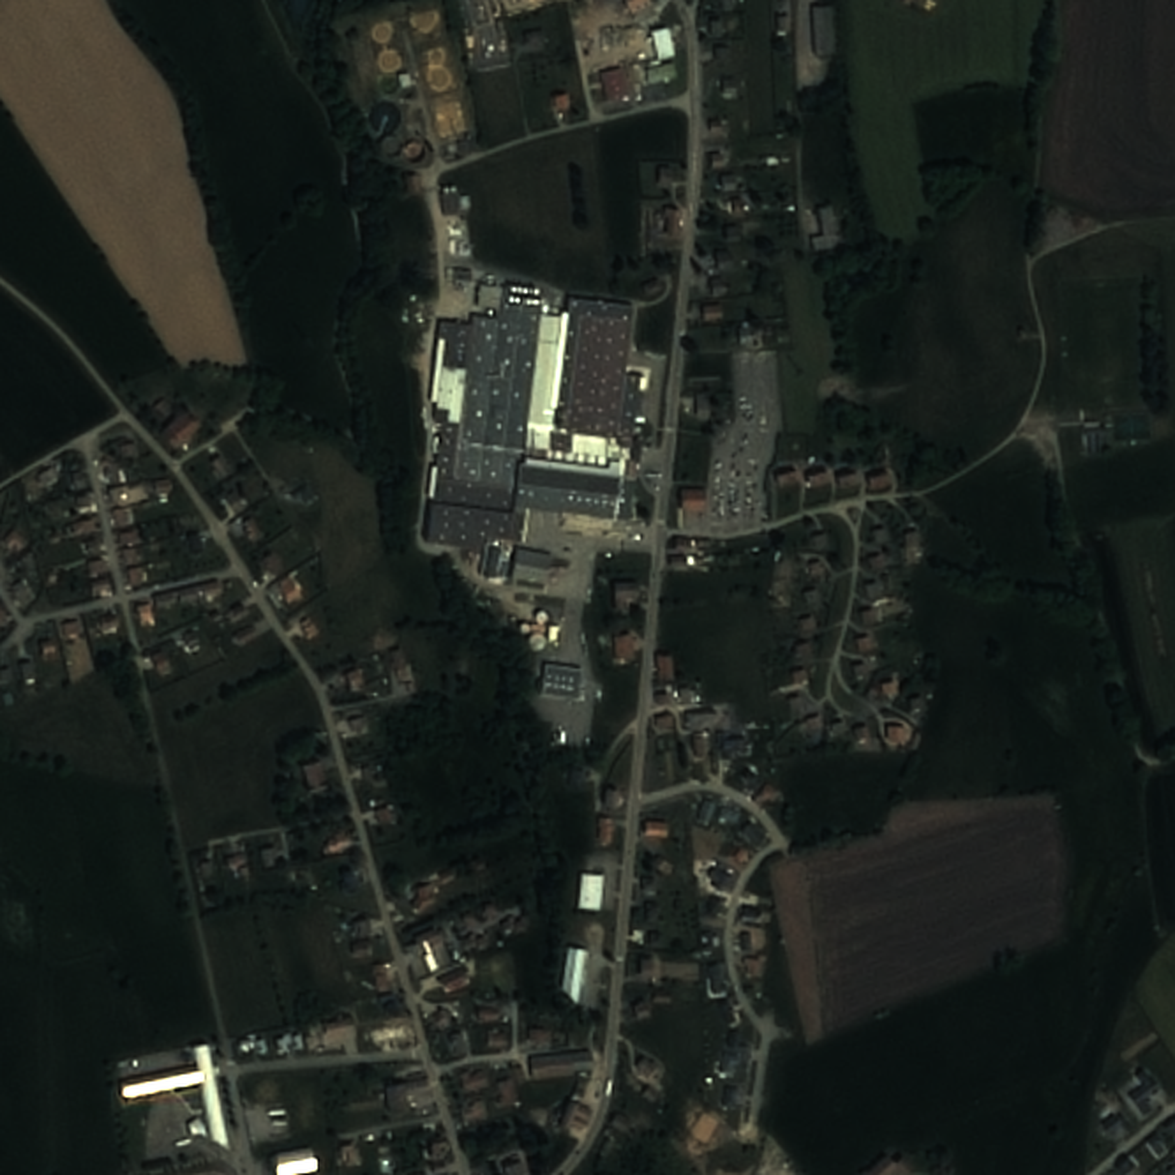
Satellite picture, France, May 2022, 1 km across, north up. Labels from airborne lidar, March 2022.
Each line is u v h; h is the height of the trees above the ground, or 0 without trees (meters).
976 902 0
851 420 9
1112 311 0
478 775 0
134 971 0
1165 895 0
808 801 0
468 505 0
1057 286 0
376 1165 0
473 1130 0
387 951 0
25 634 0
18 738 0
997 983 0
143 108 0
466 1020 0
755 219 0
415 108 0
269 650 0
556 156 0
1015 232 0
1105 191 0
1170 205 0
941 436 0
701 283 0
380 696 0
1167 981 0
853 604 0
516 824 13
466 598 18
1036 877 0
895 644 0
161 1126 0
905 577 0
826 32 0
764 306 0
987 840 0
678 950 7
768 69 0
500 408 0
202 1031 0
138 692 6
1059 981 0
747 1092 0
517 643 16
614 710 0
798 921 0
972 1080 0
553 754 7
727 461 0
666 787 0
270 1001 0
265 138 0
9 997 0
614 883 0
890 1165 0
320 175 0
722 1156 0
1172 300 0
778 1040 0
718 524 0
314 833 8
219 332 0
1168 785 0
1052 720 0
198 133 12
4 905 0
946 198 10
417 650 0
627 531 0
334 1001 0
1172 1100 0
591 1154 0
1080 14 0
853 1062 0
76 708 0
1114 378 0
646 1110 0
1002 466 0
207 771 0
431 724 11
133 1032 0
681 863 0
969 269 0
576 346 0
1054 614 16
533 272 0
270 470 0
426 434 0
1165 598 0
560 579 0
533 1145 21
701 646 0
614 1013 0
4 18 0
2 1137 0
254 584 0
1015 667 0
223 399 0
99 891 0
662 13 0
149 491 0
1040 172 0
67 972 0
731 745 0
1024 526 0
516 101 0
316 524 0
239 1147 0
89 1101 0
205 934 0
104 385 0
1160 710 0
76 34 0
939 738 0
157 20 0
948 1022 0
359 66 0
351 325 10
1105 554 0
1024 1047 0
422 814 7
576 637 0
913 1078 0
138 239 0
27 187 0
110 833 0
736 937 0
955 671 0
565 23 0
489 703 0
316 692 0
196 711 10
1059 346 0
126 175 0
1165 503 0
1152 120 0
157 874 0
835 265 14
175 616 0
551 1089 0
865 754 0
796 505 0
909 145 0
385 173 10
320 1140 0
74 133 0
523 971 0
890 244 14
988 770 0
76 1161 0
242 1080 0
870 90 0
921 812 0
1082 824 0
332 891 0
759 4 0
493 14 0
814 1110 0
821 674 0
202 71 0
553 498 0
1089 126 0
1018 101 0
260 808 0
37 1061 0
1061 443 0
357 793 0
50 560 0
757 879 0
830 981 0
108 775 0
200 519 0
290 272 0
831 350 0
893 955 0
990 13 0
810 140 0
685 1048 0
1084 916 0
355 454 15
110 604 0
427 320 0
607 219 0
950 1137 0
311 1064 0
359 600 0
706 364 0
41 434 0
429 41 0
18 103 0
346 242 0
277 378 14
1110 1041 0
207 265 0
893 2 0
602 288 0
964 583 20
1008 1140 0
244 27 0
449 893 0
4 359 0
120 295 0
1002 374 0
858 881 0
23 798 0
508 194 0
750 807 0
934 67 0
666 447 0
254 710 0
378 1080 12
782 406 0
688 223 0
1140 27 0
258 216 0
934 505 0
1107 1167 0
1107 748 0
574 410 0
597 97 0
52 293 0
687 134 0
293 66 0
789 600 0
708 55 0
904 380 0
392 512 15
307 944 0
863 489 0
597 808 0
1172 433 0
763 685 0
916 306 0
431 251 0
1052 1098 0
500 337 0
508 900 0
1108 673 20
